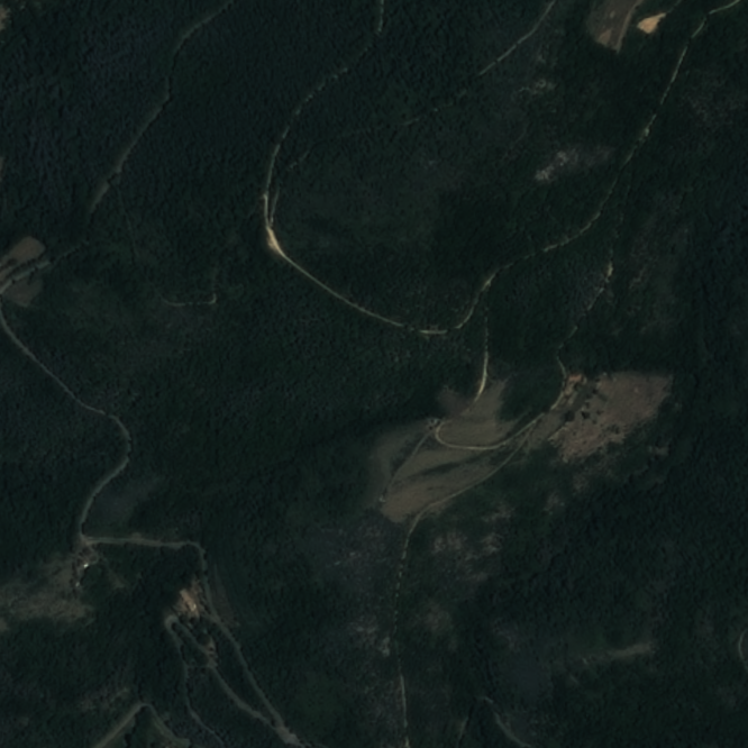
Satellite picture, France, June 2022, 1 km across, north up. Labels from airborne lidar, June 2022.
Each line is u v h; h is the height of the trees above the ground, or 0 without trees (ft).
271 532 24
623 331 25
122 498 0
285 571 18
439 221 23
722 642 20
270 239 0
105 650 31
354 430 36
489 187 28
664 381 0
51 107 29
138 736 39
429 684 21
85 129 57
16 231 52
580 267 31
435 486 0
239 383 43
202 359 31
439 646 27
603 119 21
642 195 45
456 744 48
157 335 20
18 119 52
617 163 26
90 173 62
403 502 0
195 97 38
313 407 47
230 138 32
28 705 45
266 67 36
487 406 0
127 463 21
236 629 19
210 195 31
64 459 55
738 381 24
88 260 24
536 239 49
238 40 37
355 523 0
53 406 68
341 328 31
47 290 34
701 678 31
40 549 46
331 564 0
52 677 35
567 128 18
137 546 34
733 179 83
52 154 66
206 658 37
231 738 57
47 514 39
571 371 27
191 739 53
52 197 41
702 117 26
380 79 38
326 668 24
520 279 41
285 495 21
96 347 20
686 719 37
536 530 27
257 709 22
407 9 43
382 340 24
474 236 30
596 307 27
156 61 47
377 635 20
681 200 20
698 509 27
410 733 26
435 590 21
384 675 26
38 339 30
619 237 24
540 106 23
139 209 23
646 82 40
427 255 26
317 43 35
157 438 29
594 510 73
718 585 32
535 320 42
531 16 31
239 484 22
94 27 44
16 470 30
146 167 24
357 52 28
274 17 25
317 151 29
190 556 72
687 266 36
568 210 37
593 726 35
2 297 23
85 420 57
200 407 27
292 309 47
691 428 50
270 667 20
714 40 29
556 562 72
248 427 71
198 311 21
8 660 35
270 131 31
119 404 46
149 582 53
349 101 27
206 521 66
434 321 22
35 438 55
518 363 22
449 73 29
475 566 23
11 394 42
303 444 25
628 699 32
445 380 46
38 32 73
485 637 27
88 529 24
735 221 47
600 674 23
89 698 47
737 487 32
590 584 26
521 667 0
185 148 26
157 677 21
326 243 0
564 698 33
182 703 38
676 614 27
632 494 53
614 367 33
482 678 30
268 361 39
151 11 44
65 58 56
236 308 18
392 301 22
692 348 35
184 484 19
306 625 44
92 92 56
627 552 22
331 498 25
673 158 56
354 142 26
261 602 21
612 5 0
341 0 37
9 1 35
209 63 31
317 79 39
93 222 45
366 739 20
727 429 23
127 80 30
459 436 0
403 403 36
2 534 28
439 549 0
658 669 24
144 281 20
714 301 54
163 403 40
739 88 19
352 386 29
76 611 0
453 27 26
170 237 24
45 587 0
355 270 23
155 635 40
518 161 26
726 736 24
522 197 31
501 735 63
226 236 27
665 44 45
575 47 31
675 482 28
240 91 30
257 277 23
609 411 0
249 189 21
